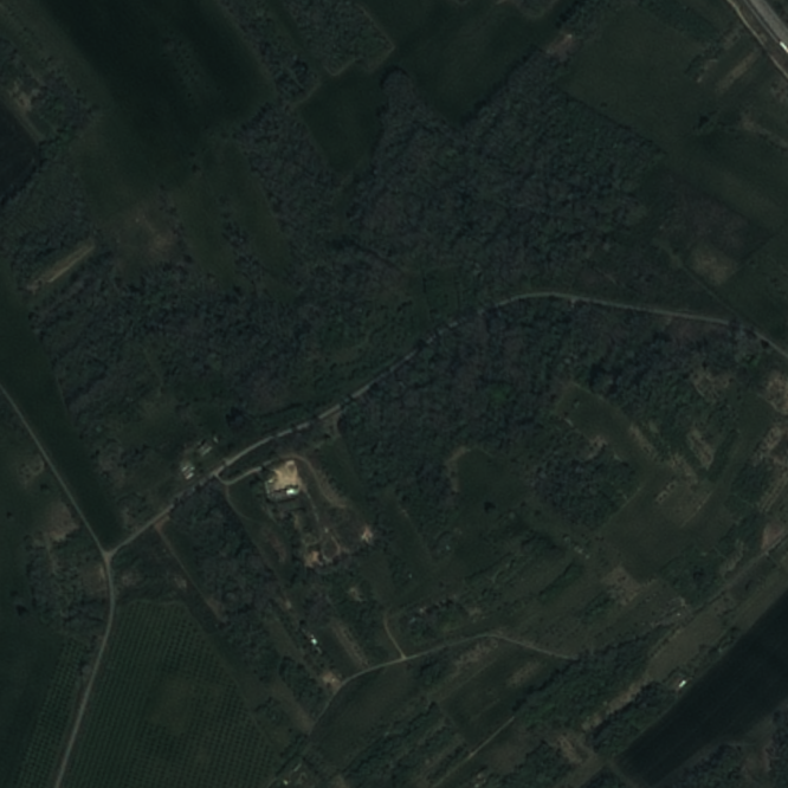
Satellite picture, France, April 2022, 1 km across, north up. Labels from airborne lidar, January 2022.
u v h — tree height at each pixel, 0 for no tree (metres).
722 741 0
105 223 0
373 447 7
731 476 0
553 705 23
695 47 0
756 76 0
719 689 0
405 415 22
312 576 16
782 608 0
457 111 0
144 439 0
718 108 0
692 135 0
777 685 0
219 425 0
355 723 0
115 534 0
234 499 0
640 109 0
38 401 0
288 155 20
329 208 27
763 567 0
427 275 7
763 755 0
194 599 0
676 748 0
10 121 0
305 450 14
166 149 0
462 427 20
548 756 13
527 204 30
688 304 0
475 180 22
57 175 12
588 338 22
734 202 0
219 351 16
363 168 0
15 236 17
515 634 0
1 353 0
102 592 0
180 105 0
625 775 0
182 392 12
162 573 0
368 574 0
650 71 0
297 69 19
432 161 27
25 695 0
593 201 29
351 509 0
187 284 24
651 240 0
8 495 0
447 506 16
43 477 0
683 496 0
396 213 29
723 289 0
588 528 15
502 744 0
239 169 0
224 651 0
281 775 6
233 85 0
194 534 13
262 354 22
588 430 0
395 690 0
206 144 0
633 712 17
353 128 0
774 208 0
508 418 11
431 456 14
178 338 25
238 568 18
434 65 0
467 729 0
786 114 0
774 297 0
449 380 12
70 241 14
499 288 20
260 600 19
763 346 29
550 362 19
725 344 24
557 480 9
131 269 0
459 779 0
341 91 0
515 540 0
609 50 0
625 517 0
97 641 14
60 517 0
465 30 0
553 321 8
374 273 24
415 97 21
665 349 23
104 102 0
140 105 0
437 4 0
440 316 13
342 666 0
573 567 6
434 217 28
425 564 0
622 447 0
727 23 0
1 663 0
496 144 24
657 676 0
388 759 16
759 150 0
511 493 0
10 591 0
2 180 0
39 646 0
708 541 0
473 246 23
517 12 0
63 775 0
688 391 22
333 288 24
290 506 0
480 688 0
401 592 0
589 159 12
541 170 24
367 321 12
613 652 16
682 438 7
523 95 24
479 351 21
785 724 21
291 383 21
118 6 0
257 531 0
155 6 0
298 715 0
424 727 7
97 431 9
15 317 0
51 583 18
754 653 0
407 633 13
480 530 0
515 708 0
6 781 0
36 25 0
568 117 8
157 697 0
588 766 0
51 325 9
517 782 9
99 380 10
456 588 0
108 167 0
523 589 0
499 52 0
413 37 0
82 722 0
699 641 0
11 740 0
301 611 0
